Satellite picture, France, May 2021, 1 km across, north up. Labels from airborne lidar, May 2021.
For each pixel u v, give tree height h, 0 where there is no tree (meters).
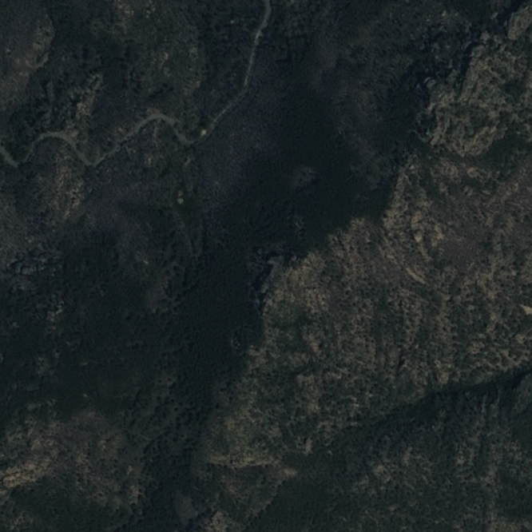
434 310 16
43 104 27
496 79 18
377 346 12
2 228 20
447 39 16
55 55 28
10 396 12
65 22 25
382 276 19
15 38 21
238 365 13
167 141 5
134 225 20
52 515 16
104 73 21
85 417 16
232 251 21
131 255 13
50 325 12
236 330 18
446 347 19
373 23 19
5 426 15
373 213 20
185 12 25
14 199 17
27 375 14
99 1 15
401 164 15
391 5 17
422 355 16
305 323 7
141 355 20
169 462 21
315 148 20
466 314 15
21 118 25
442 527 18
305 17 8
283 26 21
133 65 21
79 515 21
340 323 14
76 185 19
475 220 15
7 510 20
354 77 18
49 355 13
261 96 21
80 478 16
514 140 22
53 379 16
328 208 13
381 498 17
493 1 26
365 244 15
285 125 20
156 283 23
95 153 25
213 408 18
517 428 16
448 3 17
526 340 15
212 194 23
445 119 11
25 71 22
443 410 11
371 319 14
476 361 12
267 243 19
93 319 19
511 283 17
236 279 25
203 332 22
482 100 17
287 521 16
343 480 15
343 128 15
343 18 22
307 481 15
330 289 18
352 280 13
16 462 14
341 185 15
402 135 17
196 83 17
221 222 22
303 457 16
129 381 21
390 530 18
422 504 18
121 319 21
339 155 15
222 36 6
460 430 17
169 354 13
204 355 20
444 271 11
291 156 20
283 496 16
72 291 14
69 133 12
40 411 13
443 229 17
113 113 18
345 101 15
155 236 21
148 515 19
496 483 15
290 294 10
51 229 17
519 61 20
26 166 21
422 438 16
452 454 17
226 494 11
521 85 21
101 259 23
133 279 14
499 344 19
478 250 17
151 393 18
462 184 19
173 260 23
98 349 16
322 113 18
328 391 25
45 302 11
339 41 22
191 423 17
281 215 17
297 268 8
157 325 23
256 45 17
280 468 14
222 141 23
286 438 18
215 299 27
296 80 21
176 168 29
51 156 12
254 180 24
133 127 17
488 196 15
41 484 25
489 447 20
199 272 25
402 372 15
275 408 19
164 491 24
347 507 13
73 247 18
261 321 11
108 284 18
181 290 10
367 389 15
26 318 14
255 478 17
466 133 10
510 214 12
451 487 18
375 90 19
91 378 17
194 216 7
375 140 16
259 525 17
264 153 25
